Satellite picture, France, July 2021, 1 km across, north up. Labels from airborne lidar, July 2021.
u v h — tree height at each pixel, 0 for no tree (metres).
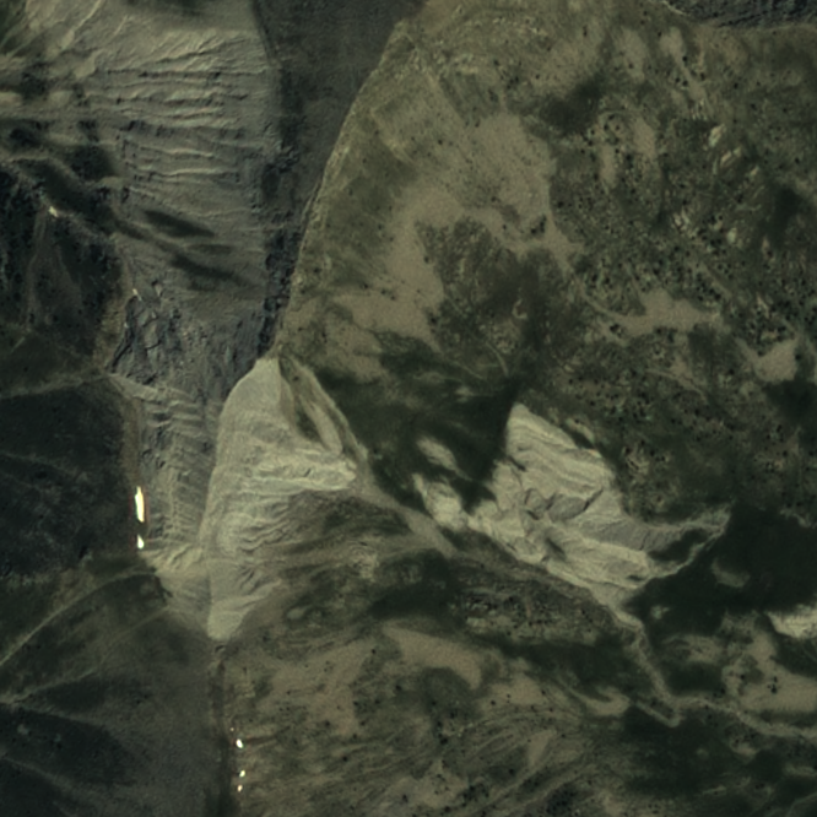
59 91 0
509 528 0
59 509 0
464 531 0
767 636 0
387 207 0
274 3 0
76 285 0
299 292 0
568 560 0
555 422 0
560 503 0
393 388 0
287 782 0
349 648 0
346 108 0
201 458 0
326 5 0
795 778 0
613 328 10
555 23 0
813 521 0
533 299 0
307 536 0
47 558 0
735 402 0
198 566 0
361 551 0
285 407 0
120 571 0
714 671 0
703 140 0
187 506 0
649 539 0
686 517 0
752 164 0
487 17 0
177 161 0
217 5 0
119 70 0
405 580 0
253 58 0
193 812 0
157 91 0
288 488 0
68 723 0
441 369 0
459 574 0
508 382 0
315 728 0
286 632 0
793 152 0
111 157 0
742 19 0
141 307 0
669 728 0
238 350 0
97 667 0
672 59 0
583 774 0
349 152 0
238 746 0
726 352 0
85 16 0
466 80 0
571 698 0
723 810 0
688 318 0
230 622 0
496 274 0
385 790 0
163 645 0
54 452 0
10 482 0
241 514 0
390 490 0
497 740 0
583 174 0
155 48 0
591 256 0
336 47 0
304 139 0
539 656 0
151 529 0
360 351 0
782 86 0
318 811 0
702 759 0
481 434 0
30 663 0
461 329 0
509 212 0
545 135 0
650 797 0
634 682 0
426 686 0
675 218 0
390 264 0
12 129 0
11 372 0
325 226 0
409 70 0
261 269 0
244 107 0
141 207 0
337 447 0
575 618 0
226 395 0
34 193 0
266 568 0
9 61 0
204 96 0
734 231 0
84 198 0
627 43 0
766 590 0
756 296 0
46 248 0
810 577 0
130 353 0
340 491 0
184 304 0
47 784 0
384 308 0
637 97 0
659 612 0
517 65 0
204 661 0
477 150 0
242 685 0
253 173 0
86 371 0
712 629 0
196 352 0
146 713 0
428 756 0
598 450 0
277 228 0
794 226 0
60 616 0
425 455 0
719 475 0
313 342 0
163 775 0
